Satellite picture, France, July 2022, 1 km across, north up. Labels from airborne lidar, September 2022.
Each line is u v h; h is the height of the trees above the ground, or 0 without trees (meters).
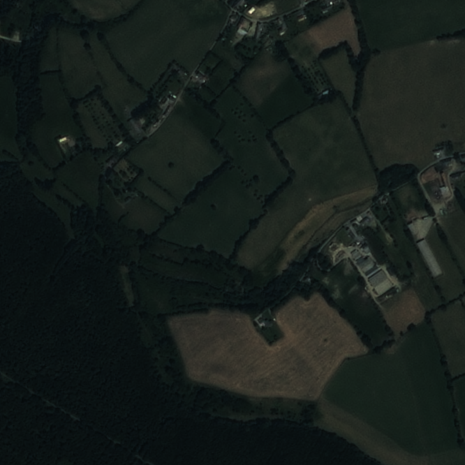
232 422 14
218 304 8
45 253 18
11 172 17
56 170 10
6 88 0
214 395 12
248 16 0
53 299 16
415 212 0
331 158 0
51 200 0
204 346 0
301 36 0
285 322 0
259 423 20
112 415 18
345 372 0
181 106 0
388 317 0
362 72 13
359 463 19
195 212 0
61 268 19
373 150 0
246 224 0
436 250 0
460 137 0
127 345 19
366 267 0
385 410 0
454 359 0
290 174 12
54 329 17
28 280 15
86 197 0
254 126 0
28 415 19
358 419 0
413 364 0
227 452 17
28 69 12
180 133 0
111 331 20
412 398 0
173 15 0
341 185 0
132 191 14
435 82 0
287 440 19
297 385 0
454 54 0
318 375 0
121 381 17
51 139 0
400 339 0
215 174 13
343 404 0
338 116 0
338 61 0
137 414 14
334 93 18
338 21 0
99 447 19
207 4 0
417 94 0
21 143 15
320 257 11
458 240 0
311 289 8
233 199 0
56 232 15
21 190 22
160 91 7
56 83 0
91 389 17
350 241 0
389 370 0
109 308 16
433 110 0
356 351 0
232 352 0
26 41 10
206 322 0
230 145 0
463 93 0
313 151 0
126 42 0
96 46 0
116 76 0
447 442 0
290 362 0
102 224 7
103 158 0
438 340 6
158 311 0
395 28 0
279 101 0
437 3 0
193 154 0
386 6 0
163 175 0
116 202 0
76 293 21
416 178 11
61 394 21
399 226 0
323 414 0
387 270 0
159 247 0
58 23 22
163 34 0
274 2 0
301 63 0
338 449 14
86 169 0
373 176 0
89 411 19
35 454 18
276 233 0
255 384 0
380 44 0
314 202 0
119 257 10
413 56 0
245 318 0
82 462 19
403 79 0
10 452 19
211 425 16
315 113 0
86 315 20
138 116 20
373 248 0
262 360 0
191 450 16
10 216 19
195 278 0
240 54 10
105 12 0
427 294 0
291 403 0
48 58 0
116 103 0
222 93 6
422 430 0
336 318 0
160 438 16
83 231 17
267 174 0
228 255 0
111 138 6
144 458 14
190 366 0
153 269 0
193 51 0
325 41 0
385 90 0
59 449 18
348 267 0
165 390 21
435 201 0
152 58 0
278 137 0
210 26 0
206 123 0
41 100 13
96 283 16
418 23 0
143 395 16
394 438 0
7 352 17
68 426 20
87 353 17
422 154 0
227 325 0
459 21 0
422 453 0
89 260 18
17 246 16
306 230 0
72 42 0
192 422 17
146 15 0
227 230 0
